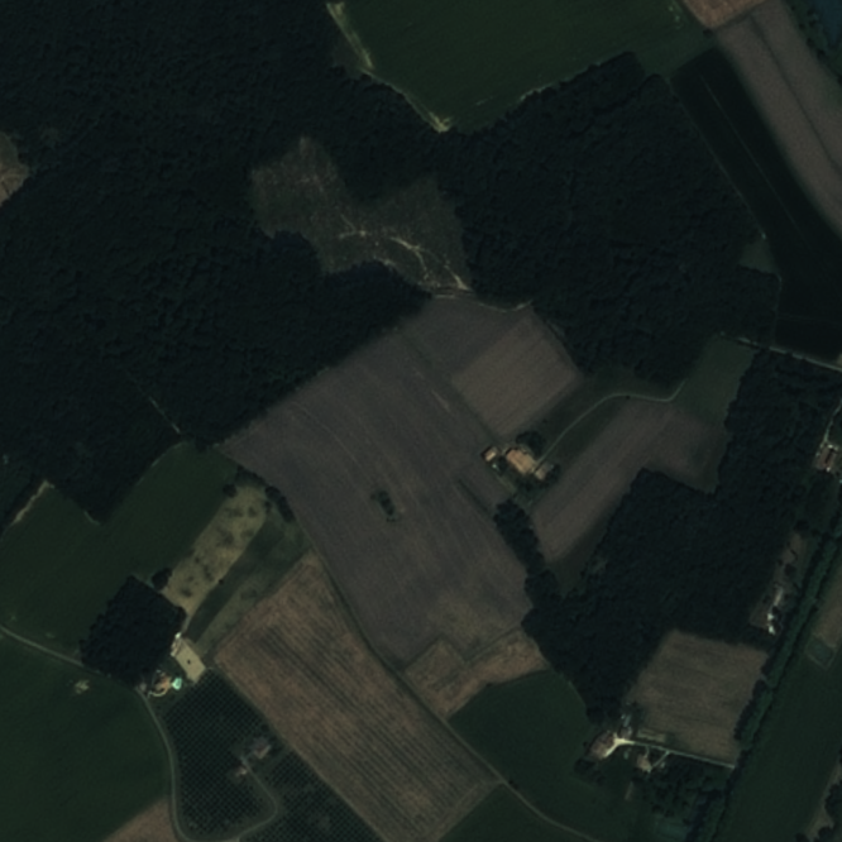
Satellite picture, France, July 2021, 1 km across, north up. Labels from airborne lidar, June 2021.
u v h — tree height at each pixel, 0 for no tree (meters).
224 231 27
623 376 0
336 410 0
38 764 0
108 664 15
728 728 0
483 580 0
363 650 0
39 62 21
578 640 21
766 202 0
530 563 16
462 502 0
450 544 0
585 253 28
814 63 0
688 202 19
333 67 14
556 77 0
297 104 20
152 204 27
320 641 0
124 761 0
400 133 26
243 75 14
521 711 0
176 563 0
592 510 0
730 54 0
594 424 0
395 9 0
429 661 0
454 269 0
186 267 27
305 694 0
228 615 0
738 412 18
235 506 0
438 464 0
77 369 10
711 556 27
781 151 0
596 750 0
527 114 21
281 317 25
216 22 23
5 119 21
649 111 23
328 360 17
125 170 17
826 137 0
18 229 22
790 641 21
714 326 16
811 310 0
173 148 16
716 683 0
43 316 23
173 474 0
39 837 0
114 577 0
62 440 20
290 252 32
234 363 25
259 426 0
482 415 0
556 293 18
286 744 0
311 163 0
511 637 0
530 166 29
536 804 0
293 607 0
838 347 0
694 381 0
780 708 23
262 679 0
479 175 28
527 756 0
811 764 0
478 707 0
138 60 9
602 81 22
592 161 25
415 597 0
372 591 0
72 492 13
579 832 0
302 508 0
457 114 0
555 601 16
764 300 21
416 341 0
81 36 20
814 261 0
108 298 33
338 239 0
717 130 0
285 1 20
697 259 24
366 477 0
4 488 7
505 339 0
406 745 0
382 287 28
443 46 0
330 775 0
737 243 18
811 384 24
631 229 10
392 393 0
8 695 0
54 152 14
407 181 26
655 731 0
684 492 20
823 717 0
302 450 0
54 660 0
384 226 0
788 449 22
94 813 0
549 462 0
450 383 0
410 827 0
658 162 27
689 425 0
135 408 6
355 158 25
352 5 0
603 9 0
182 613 13
